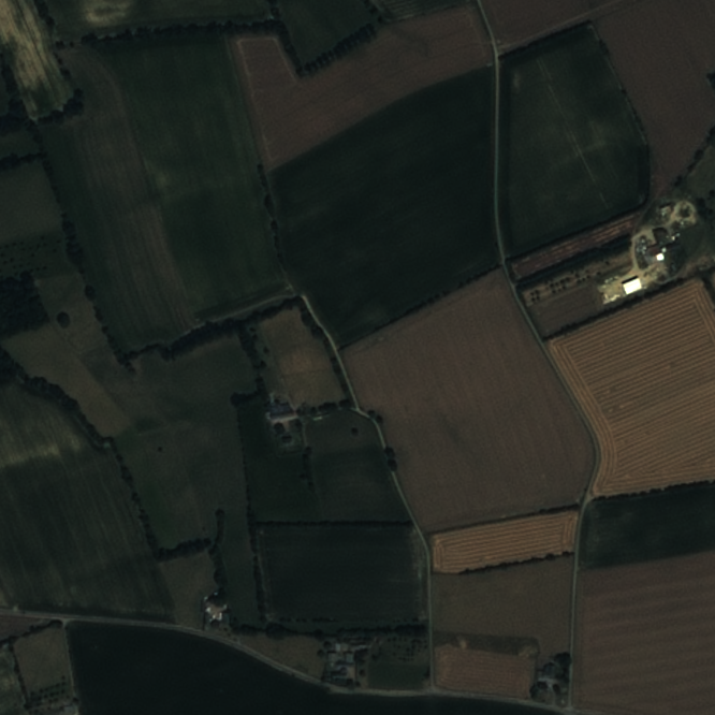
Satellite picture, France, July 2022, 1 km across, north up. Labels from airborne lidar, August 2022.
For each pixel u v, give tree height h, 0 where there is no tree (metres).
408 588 0
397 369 0
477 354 0
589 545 0
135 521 0
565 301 0
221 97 0
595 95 0
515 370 0
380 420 13
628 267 0
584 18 0
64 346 0
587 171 0
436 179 0
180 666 0
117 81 0
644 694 0
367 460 0
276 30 16
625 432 0
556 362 0
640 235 0
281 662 0
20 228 0
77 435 0
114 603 0
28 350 0
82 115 10
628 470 0
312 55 0
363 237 0
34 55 0
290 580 0
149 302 0
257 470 0
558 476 0
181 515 0
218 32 15
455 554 0
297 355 0
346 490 0
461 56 0
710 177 0
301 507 0
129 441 0
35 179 0
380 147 0
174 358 16
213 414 0
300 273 0
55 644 0
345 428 0
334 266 0
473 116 0
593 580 0
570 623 0
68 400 14
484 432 0
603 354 0
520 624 0
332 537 0
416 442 0
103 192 0
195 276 0
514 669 0
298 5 0
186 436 0
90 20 0
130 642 0
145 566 0
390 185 0
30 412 0
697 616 0
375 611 0
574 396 0
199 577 0
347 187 0
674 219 0
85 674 0
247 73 0
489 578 0
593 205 0
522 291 7
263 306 0
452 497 0
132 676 0
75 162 0
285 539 0
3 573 0
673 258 0
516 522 0
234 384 0
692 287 0
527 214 0
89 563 0
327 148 0
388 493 0
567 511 6
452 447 0
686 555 0
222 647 0
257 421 0
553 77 0
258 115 0
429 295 0
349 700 0
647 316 0
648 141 6
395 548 0
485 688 0
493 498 0
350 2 0
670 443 0
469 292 0
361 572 0
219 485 0
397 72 0
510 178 0
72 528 0
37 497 0
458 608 0
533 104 0
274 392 0
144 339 0
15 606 0
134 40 16
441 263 0
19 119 15
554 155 0
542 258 0
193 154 0
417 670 0
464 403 0
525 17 0
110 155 0
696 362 0
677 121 0
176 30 14
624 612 0
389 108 0
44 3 10
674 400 0
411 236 0
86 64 0
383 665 0
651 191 6
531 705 0
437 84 0
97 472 0
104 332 8
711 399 0
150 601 0
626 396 0
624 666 0
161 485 0
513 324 0
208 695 0
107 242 0
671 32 0
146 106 0
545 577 0
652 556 0
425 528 0
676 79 0
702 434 0
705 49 0
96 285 0
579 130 0
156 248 0
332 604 0
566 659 13
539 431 0
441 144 0
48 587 0
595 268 0
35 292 24
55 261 0
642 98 0
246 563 0
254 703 0
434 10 0
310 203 0
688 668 0
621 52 0
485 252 0
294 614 0
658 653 0
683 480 0
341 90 0
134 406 0
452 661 0
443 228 0
